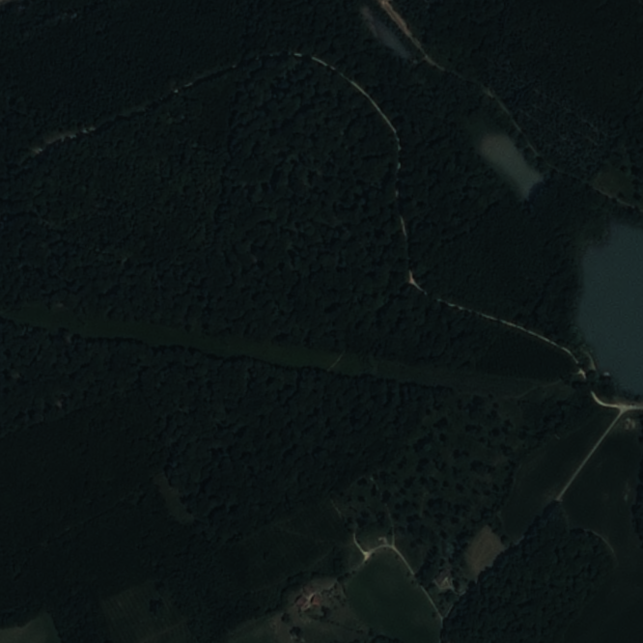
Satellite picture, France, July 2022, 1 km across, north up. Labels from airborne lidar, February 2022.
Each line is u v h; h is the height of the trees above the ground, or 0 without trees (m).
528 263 12
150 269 21
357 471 20
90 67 13
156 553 10
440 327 23
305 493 26
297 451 26
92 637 23
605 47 10
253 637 0
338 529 0
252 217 30
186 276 24
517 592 22
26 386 26
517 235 13
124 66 17
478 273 16
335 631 0
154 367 31
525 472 0
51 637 0
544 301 23
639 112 17
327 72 23
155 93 14
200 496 24
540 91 14
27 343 27
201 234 20
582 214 14
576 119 19
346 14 15
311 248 31
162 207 18
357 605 0
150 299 23
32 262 28
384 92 23
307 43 21
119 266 18
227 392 27
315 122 25
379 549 0
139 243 19
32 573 12
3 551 11
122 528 11
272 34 24
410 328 29
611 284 0
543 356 6
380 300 31
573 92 14
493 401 15
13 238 26
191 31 15
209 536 23
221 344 0
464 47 20
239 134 27
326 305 5
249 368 23
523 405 6
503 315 16
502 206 17
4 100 22
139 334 0
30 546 10
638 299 0
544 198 29
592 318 0
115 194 16
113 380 29
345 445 28
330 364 0
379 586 0
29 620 18
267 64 25
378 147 22
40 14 20
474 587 18
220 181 13
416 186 30
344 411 29
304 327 29
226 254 29
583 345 24
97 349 24
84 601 23
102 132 19
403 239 16
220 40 14
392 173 23
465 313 11
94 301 26
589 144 18
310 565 0
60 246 27
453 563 18
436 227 24
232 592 15
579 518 0
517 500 0
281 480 26
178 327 25
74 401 26
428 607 0
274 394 25
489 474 22
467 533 22
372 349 22
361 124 29
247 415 24
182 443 28
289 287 17
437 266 16
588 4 10
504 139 0
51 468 13
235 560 12
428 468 26
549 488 0
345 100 20
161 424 25
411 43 12
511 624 11
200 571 15
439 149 20
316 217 31
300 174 29
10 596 9
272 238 30
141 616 0
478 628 18
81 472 8
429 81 10
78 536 9
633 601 0
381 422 25
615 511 0
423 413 27
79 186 21
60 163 22
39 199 28
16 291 25
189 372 27
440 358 25
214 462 27
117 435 8
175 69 14
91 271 28
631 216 20
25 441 13
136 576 11
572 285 19
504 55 20
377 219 26
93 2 5
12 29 26
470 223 23
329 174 25
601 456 0
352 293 28
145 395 28
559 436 9
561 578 24
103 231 14
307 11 19
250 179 28
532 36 12
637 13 9
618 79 14
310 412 26
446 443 25
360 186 16
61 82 14
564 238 15
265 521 19
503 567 19
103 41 13
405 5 16
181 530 9
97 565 14
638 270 0
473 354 22
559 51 10
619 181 0
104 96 16
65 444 17
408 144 28
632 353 0
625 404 0
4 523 12
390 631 0
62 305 24
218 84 19
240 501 18
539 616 22
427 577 17
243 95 21
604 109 12
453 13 28
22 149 11
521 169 0
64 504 9
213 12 17
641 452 0
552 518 23
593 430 0
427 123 26
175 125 10
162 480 0
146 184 17
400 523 25
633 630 0
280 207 26
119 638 0
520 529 0
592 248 0
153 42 14
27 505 12
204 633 14
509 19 14
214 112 12
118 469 8
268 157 28
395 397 29
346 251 29
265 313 29
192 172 18
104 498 13
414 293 28
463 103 24
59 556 12
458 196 19
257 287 30
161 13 15
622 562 0
